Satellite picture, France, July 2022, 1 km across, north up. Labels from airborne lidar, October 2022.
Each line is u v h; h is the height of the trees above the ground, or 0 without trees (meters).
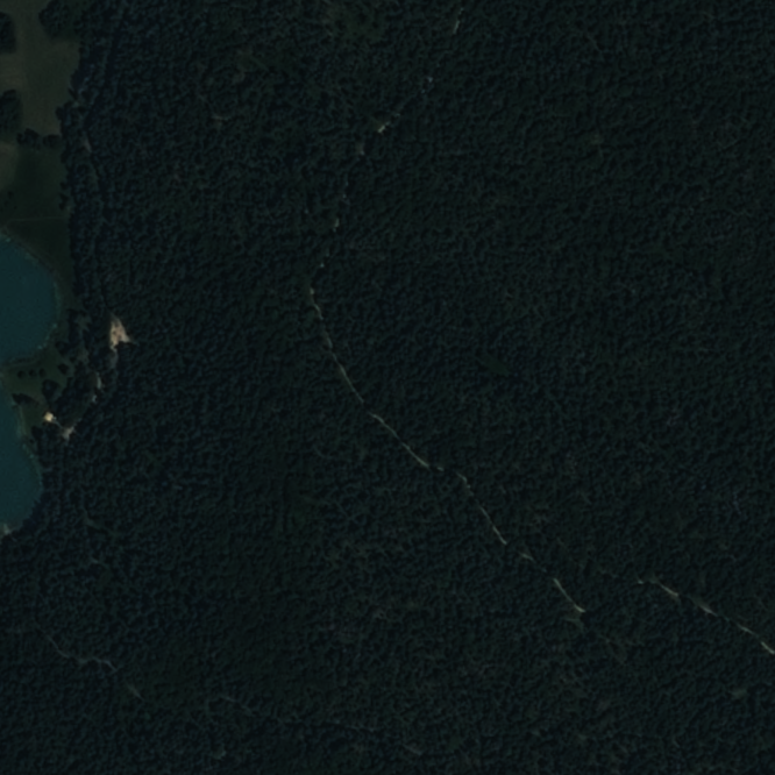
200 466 23
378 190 21
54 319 0
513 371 24
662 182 17
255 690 27
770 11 18
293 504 24
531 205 16
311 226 20
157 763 23
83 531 31
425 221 18
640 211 27
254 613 19
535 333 20
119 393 9
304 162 27
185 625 22
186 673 13
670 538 14
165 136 14
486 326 18
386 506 21
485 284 8
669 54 23
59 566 30
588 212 31
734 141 14
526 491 9
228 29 20
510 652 21
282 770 21
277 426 26
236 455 29
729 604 22
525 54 14
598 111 12
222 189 21
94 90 32
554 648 33
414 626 19
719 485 29
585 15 20
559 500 15
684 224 17
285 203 29
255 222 25
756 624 16
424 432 25
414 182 18
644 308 26
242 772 27
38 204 0
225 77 19
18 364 0
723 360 23
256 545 22
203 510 23
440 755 13
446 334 28
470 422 20
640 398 23
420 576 14
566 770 31
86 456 25
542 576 18
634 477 19
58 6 16
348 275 10
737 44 25
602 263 18
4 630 8
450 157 10
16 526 0
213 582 30
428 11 19
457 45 8
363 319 28
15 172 0
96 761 24
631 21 27
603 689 17
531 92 21
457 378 26
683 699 23
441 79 22
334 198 30
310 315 26
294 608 19
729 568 24
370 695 22
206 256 22
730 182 11
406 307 32
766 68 22
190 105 16
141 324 15
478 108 20
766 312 18
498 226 22
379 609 21
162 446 22
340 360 9
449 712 18
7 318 0
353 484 19
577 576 20
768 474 6
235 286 20
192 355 21
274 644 20
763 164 18
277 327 19
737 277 14
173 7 28
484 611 10
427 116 19
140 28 34
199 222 18
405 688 14
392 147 19
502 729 21
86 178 33
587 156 11
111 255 14
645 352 6
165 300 20
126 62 28
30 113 0
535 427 19
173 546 25
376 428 20
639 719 18
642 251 14
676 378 6
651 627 16
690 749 14
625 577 28
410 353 33
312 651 16
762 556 25
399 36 22
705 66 25
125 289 13
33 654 23
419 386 16
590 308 22
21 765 22
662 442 28
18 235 0
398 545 29
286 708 30
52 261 0
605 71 24
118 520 32
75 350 25
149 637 25
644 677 14
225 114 18
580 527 15
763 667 29
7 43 21
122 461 9
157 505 20
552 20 22
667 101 12
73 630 18
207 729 26
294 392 12
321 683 18
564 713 19
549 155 11
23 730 18
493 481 13
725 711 30
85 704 26
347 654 21
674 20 26
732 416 12
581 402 14
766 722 19
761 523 22
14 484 0
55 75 0
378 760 26
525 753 22
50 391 9
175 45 23
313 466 26
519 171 24
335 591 21
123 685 24
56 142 19
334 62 31
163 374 25
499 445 17
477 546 18
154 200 16
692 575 18
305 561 22
